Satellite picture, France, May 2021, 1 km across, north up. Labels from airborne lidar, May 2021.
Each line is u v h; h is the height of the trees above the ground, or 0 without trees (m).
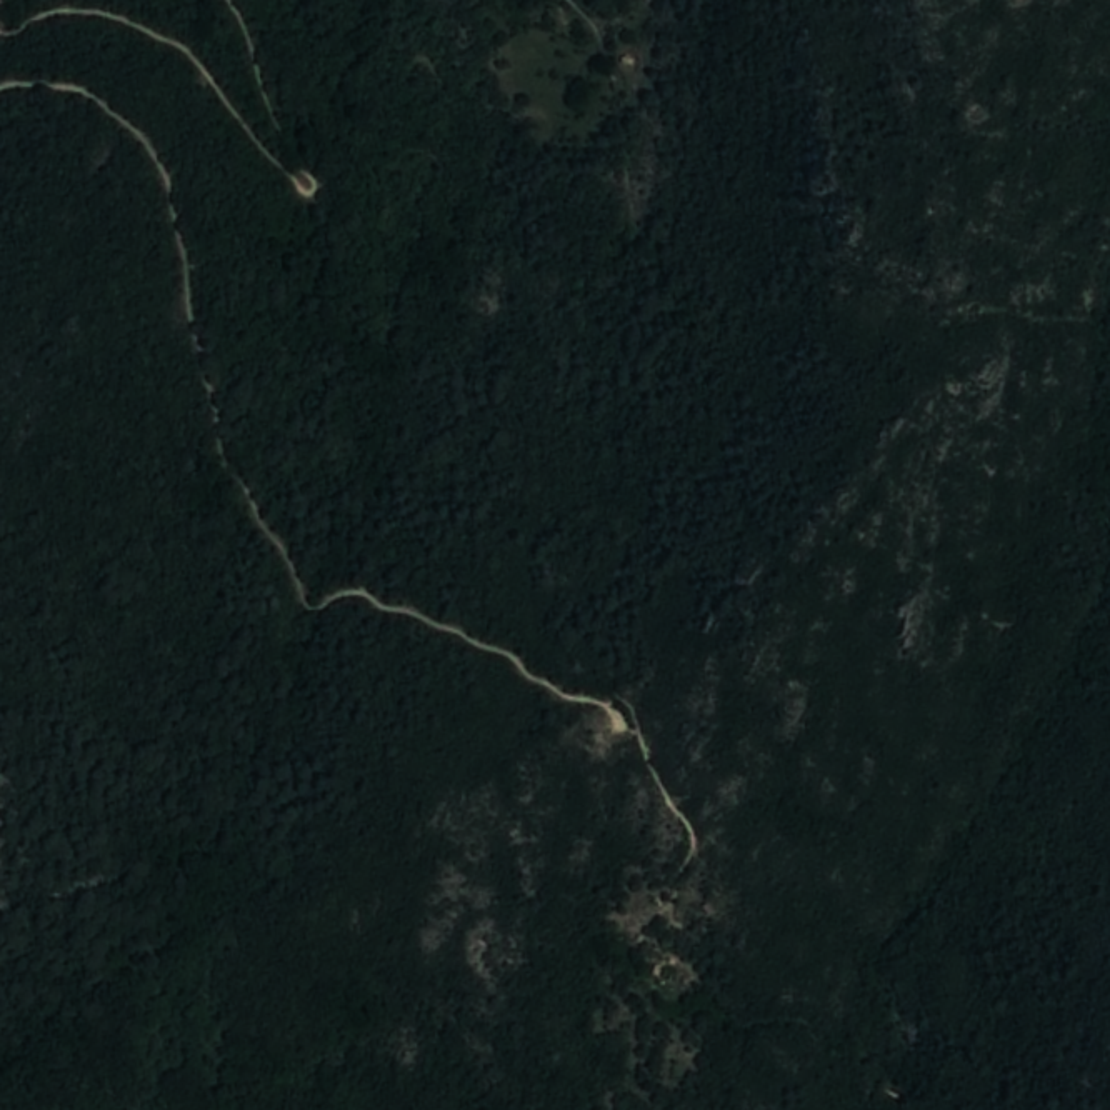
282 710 24
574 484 13
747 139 10
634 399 13
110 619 16
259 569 16
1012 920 20
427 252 16
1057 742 8
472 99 15
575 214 23
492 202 17
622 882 14
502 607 6
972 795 6
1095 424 18
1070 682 17
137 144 7
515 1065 26
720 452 6
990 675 12
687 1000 14
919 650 23
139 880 23
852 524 6
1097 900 11
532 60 0
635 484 8
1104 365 14
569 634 22
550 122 0
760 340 9
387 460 17
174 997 13
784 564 6
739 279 8
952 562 6
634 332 21
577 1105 12
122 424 10
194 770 22
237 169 9
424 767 6
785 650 11
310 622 12
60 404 8
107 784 27
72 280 6
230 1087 14
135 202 13
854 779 5
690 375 19
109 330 7
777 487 16
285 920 14
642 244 19
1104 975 9
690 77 10
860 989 11
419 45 11
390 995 8
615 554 7
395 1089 13
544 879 11
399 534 8
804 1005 7
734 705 7
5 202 9
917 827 6
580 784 8
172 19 15
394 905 7
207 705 27
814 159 14
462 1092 12
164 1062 14
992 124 6
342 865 8
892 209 6
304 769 26
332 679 10
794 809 14
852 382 12
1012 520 7
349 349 17
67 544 12
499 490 21
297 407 12
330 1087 18
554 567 6
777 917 6
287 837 7
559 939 13
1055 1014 7
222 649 23
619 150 10
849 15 5
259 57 15
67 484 8
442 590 15
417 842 7
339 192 19
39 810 19
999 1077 7
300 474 14
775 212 5
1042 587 6
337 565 21
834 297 15
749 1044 11
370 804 8
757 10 12
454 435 14
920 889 7
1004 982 10
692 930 9
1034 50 6
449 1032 14
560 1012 9
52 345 15
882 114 12
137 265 13
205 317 19
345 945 9
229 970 12
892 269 9
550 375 9
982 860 6
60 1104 12
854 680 6
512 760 8
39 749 9
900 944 7
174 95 8
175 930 19
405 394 6
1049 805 9
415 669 10
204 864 25
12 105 12
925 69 10
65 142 8
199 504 21
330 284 15
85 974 22
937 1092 7
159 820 15
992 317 7
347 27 12
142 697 15
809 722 8
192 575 16
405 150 9
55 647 15
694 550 19
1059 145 9
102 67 13
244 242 14
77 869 20
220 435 16
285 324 17
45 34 6
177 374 9
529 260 20
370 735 10
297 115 15
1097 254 14
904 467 8
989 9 6
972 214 9
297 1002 15
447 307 19
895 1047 13
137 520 11
